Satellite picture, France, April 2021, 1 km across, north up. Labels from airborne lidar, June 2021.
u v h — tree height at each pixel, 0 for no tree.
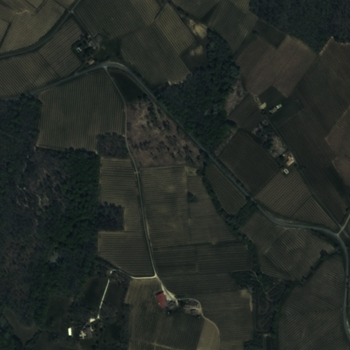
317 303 0
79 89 0
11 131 17
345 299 0
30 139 12
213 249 0
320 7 22
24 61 0
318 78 0
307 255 0
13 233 12
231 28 0
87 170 22
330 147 0
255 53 0
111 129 0
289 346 0
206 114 24
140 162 0
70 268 25
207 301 0
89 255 20
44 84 0
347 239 0
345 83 0
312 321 0
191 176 0
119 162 0
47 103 0
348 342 0
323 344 0
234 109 0
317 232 8
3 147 17
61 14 0
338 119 0
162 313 0
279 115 0
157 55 0
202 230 0
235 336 0
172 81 0
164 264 0
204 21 0
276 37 0
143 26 0
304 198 0
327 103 0
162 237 0
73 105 0
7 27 0
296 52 0
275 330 13
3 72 0
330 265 0
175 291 0
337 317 0
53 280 28
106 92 0
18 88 0
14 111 21
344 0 14
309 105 0
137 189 0
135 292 0
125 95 0
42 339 0
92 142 0
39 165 18
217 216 0
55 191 26
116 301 0
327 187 0
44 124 0
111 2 0
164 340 0
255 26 0
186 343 0
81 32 0
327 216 0
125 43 0
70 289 24
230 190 0
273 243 0
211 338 0
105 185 0
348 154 0
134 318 0
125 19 0
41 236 23
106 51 0
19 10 0
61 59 0
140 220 0
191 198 17
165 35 0
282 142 0
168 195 0
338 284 0
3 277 14
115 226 24
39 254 22
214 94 22
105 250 0
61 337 18
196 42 0
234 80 12
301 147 0
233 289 0
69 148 0
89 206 20
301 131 0
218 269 0
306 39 20
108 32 0
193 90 18
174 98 21
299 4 21
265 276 8
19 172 20
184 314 0
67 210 18
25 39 0
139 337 0
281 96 0
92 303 0
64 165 21
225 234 0
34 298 23
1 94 0
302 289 0
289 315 0
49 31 0
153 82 0
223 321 0
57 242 23
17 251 9
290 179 0
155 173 0
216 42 22
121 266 0
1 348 17
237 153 0
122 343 14
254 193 0
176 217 0
